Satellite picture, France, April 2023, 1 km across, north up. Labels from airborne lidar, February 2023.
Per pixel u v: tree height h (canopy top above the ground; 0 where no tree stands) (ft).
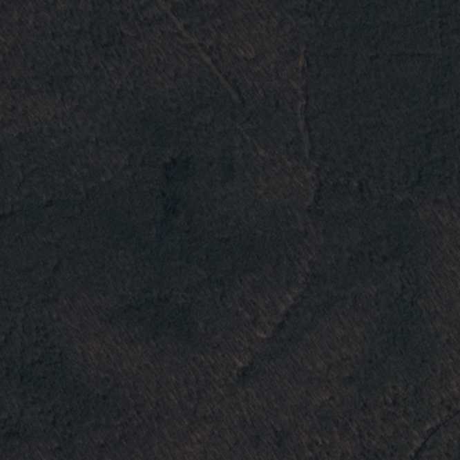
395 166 55
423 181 81
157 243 62
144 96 65
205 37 79
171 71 79
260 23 76
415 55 39
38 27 80
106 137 62
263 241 72
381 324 57
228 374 81
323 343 98
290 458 90
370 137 47
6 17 87
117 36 74
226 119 54
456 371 82
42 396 64
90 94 43
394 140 85
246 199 72
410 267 73
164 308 81
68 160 56
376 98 68
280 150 72
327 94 74
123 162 67
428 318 71
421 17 55
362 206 76
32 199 72
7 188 66
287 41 77
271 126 84
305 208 70
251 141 78
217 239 59
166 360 85
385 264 67
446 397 90
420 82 76
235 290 57
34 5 89
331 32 56
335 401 81
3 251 71
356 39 47
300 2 81
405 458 73
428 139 61
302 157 82
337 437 81
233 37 80
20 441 63
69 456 60
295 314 60
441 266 69
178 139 48
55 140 75
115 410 61
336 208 96
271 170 64
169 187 58
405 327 65
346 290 57
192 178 67
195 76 67
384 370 74
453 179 84
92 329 76
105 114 76
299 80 83
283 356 87
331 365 90
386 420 81
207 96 60
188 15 78
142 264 53
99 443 86
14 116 61
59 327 77
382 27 62
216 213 71
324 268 79
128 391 68
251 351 72
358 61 81
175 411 68
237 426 90
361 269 77
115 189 70
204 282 76
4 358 69
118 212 58
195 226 47
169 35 71
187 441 72
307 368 99
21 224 78
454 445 84
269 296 85
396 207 80
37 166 73
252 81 85
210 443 93
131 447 71
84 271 55
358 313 87
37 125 66
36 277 47
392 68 71
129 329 88
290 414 91
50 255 54
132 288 75
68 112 85
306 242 87
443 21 80
